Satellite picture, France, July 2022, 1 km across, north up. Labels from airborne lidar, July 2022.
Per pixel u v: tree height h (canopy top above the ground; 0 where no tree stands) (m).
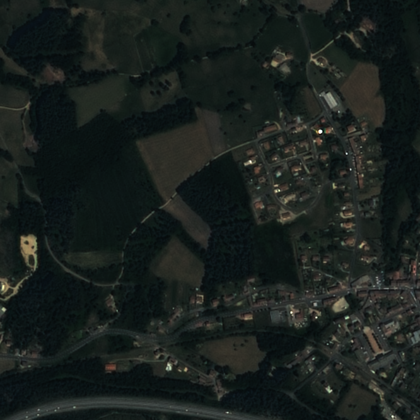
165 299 0
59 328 15
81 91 0
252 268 20
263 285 7
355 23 15
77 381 14
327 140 9
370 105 0
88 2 0
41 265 13
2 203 0
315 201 0
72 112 22
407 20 0
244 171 7
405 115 9
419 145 0
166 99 0
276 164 0
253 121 0
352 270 0
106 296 0
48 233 15
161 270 0
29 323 11
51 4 0
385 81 16
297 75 0
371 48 18
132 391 11
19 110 0
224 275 27
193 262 0
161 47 0
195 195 20
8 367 0
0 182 0
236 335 10
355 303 10
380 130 13
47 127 23
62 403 0
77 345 0
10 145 0
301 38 0
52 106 24
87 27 0
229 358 0
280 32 0
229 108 15
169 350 0
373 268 11
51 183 8
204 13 0
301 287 0
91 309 6
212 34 0
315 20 0
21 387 29
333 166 10
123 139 8
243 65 0
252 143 0
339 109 0
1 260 0
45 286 33
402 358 0
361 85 0
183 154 0
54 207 17
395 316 0
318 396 0
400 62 12
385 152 21
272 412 8
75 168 8
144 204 0
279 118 0
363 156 0
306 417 23
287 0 0
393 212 19
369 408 0
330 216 0
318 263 10
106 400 0
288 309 0
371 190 0
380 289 0
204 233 0
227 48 11
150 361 0
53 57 17
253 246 22
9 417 0
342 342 0
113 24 0
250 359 0
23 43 36
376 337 7
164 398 11
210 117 0
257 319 0
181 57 25
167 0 0
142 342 0
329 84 14
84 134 9
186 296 0
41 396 13
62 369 16
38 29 40
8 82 17
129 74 0
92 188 0
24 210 27
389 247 18
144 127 19
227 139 0
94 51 0
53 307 12
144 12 0
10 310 17
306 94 0
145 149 0
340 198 8
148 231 26
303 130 0
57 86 19
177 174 0
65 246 16
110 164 6
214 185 20
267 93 0
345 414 0
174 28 0
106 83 0
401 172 18
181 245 0
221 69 0
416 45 0
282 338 18
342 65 0
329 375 0
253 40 7
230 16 0
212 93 0
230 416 0
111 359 0
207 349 0
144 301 10
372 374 0
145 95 0
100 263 0
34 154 16
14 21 0
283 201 0
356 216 0
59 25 34
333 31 10
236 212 24
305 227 0
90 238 0
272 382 35
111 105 0
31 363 0
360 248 0
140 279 11
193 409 0
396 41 19
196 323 0
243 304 0
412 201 13
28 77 10
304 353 0
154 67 0
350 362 0
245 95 0
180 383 20
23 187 17
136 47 0
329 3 0
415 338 0
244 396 16
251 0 9
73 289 15
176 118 7
